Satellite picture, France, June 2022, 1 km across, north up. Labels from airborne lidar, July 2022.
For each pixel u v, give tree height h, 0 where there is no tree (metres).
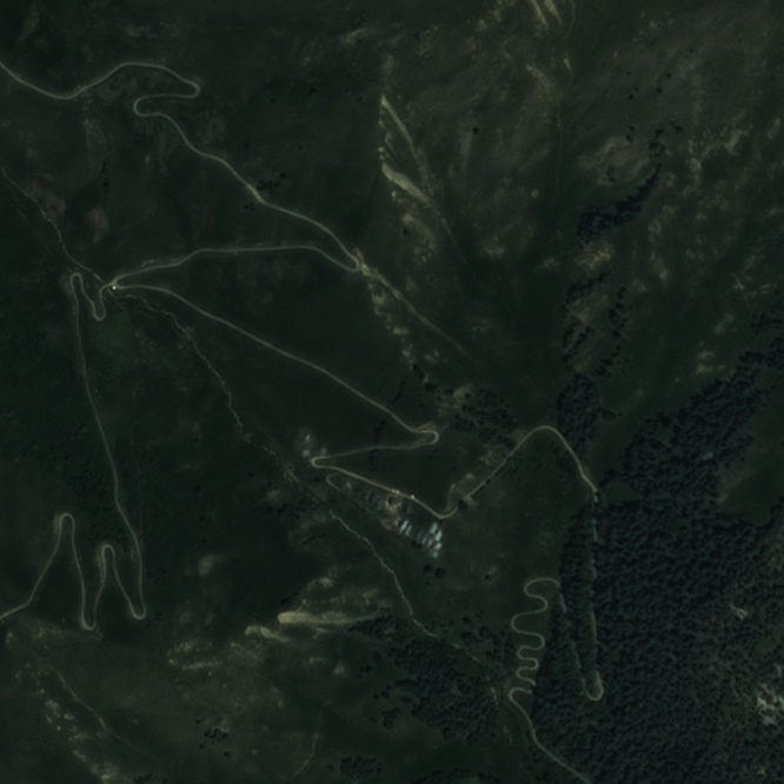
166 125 0
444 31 0
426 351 0
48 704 0
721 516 9
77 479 9
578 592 19
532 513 0
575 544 10
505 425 8
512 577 0
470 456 0
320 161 0
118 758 0
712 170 0
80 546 0
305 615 0
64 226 0
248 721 0
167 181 0
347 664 0
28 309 0
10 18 0
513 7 0
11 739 0
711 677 11
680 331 0
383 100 0
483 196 0
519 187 0
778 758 26
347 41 0
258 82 0
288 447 0
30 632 0
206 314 0
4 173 0
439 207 0
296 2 0
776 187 0
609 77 0
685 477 14
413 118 0
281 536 0
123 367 0
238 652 0
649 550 18
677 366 0
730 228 0
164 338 0
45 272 0
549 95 0
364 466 0
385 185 0
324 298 0
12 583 0
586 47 0
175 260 0
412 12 0
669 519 12
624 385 0
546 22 0
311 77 0
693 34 0
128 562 0
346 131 0
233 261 0
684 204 0
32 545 0
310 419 0
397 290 0
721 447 16
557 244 0
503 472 9
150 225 0
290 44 0
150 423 0
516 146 0
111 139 0
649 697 16
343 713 0
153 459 6
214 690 0
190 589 0
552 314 0
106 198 0
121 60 0
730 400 17
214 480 0
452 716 23
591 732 11
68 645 0
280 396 0
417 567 0
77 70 0
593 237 13
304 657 0
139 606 0
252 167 0
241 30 0
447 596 0
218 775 0
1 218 0
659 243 0
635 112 0
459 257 0
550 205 0
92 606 0
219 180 0
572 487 0
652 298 0
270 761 0
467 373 0
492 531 0
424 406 8
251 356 0
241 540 0
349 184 0
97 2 0
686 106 0
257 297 0
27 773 0
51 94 0
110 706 0
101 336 0
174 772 0
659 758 12
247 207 7
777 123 0
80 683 0
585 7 0
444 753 0
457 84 0
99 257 0
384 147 0
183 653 0
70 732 0
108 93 0
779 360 9
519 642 0
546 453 0
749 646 17
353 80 0
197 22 0
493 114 0
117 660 0
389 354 0
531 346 0
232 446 0
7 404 5
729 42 0
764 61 0
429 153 0
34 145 0
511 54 0
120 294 0
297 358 0
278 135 0
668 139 0
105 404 0
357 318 0
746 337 0
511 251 0
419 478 0
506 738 0
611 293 0
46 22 0
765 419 0
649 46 0
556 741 7
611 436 0
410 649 14
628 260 0
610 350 0
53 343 0
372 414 0
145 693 0
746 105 0
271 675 0
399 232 0
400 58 0
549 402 0
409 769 0
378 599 0
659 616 12
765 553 19
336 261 0
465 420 9
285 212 0
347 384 0
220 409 0
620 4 0
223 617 0
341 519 0
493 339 0
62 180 0
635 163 0
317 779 0
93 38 0
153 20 0
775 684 8
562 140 0
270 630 0
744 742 22
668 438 0
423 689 19
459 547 0
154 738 0
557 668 12
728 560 16
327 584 0
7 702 0
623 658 8
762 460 0
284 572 0
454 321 0
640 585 26
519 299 0
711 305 0
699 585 18
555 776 12
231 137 0
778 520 12
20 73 0
